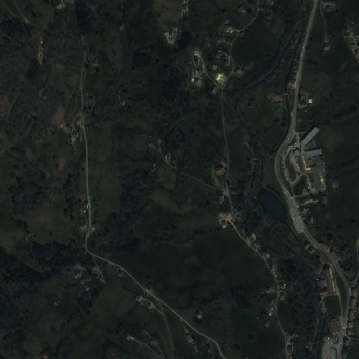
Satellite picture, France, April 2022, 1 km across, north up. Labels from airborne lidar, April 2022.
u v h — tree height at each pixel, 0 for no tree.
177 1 0
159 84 0
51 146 0
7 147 0
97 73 10
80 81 0
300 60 0
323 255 0
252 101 10
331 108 0
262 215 12
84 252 19
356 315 0
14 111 10
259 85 11
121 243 33
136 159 5
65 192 16
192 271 0
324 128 0
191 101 12
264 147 10
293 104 0
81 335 0
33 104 7
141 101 13
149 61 24
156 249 0
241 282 0
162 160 7
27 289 10
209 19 0
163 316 0
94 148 0
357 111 23
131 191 28
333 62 0
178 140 12
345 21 0
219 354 0
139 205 30
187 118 21
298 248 0
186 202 0
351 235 0
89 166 0
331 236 16
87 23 35
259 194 0
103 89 0
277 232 18
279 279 0
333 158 0
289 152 0
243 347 0
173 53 0
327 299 0
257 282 0
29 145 0
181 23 8
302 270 14
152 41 0
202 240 0
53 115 17
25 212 32
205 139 0
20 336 21
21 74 17
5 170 0
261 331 0
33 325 0
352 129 0
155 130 0
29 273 23
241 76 0
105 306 0
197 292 0
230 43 0
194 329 0
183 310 15
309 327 20
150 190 15
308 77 0
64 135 0
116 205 0
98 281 0
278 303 0
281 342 0
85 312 15
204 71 0
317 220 0
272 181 0
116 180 0
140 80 8
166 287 0
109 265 0
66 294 0
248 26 0
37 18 22
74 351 11
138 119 0
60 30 13
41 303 0
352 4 0
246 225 15
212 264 0
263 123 0
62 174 0
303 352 13
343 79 0
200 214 0
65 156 0
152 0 0
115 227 32
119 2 25
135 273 0
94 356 0
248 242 0
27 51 17
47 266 19
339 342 0
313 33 0
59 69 0
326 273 0
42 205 0
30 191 29
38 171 21
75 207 22
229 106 15
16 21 0
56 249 29
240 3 0
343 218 0
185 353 0
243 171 12
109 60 0
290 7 0
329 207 0
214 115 0
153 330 0
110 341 0
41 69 17
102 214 0
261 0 15
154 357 0
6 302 6
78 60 10
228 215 0
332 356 0
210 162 17
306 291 19
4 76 8
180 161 0
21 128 20
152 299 0
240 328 0
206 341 0
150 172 15
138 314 0
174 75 27
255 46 0
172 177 0
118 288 0
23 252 0
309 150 0
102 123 27
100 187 0
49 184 0
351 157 0
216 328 0
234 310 0
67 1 0
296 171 0
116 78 11
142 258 0
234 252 0
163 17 0
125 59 10
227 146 0
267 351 0
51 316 0
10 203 0
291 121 0
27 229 19
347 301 0
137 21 0
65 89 0
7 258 28
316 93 0
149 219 0
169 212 0
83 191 0
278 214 0
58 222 0
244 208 17
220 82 0
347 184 0
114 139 9
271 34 0
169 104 10
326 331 0
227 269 0
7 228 0
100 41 0
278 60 22
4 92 7
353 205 0
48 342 0
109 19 31
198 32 0
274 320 0
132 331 0
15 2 0
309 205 0
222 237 0
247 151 0
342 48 0
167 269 0
